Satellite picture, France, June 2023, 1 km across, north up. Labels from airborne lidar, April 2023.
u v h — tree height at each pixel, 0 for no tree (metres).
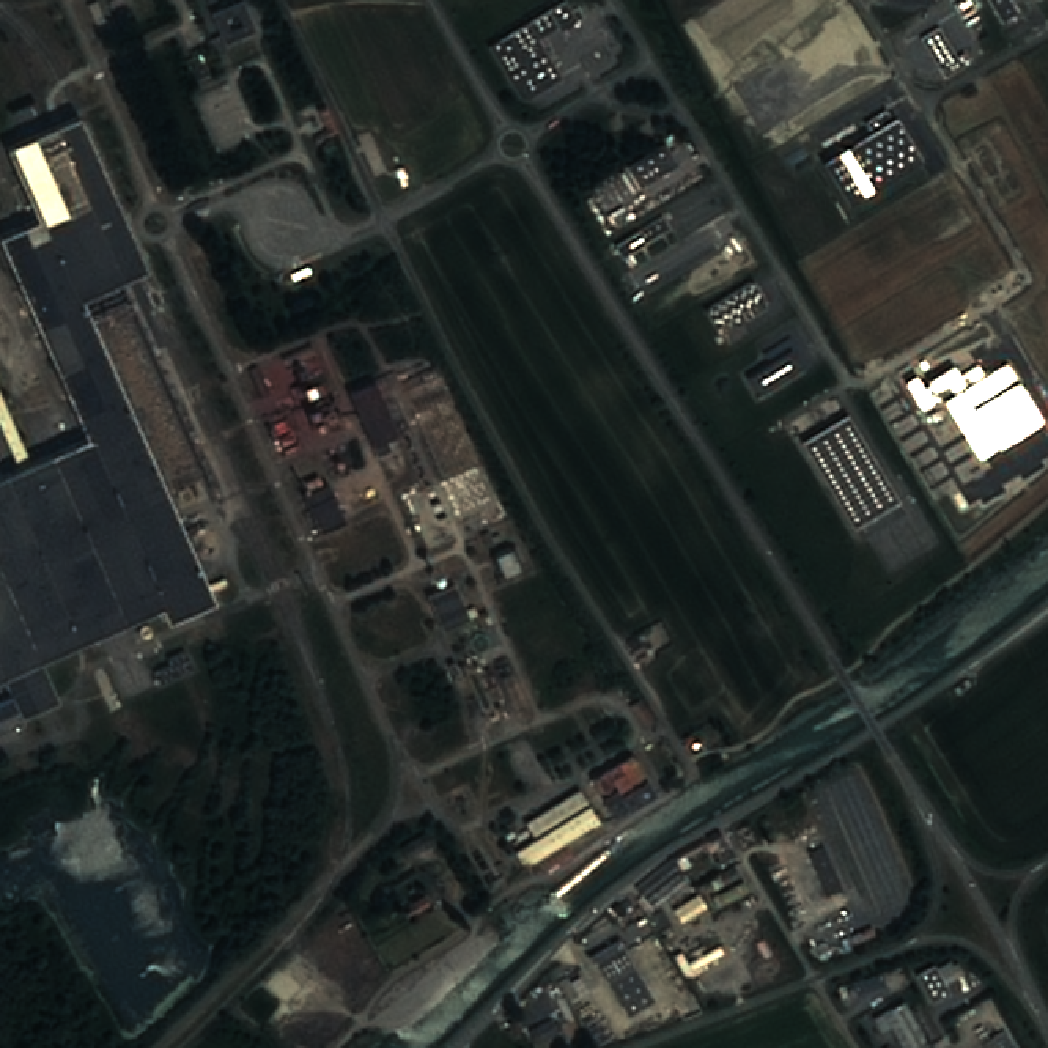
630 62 0
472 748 0
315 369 0
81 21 0
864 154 0
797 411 0
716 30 0
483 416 0
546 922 0
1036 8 0
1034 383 0
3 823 0
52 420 0
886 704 0
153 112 29
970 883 0
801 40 0
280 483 0
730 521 0
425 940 0
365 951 0
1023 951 0
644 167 0
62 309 0
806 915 0
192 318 0
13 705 0
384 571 9
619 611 0
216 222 0
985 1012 0
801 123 0
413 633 0
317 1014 0
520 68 0
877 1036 0
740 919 0
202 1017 0
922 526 0
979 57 0
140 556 0
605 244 0
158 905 0
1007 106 0
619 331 0
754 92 0
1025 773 0
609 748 9
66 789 0
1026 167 0
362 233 0
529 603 0
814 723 0
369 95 0
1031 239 0
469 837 0
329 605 0
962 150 0
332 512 0
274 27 16
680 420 0
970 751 0
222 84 0
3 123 0
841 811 0
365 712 0
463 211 0
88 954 0
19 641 0
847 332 0
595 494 0
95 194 0
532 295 0
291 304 14
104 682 0
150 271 0
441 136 0
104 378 0
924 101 0
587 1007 0
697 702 0
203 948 0
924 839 0
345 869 0
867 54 0
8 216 0
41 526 0
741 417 0
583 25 0
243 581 0
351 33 0
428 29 0
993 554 0
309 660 0
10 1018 6
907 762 0
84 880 0
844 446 0
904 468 0
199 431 0
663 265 0
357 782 0
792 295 0
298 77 8
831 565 0
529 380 0
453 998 0
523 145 0
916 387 0
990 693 0
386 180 0
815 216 0
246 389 0
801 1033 0
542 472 0
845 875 0
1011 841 0
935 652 0
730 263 0
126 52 0
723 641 0
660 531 0
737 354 0
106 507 0
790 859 0
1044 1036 0
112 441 0
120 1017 0
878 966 10
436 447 0
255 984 0
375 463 0
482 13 0
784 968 0
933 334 0
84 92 0
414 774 0
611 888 0
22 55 0
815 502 0
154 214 0
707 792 0
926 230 0
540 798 0
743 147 0
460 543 0
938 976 0
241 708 0
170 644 0
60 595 0
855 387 0
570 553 0
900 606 0
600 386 0
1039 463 0
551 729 0
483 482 0
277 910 15
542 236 0
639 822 0
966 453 0
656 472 0
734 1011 0
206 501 0
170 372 0
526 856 0
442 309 0
